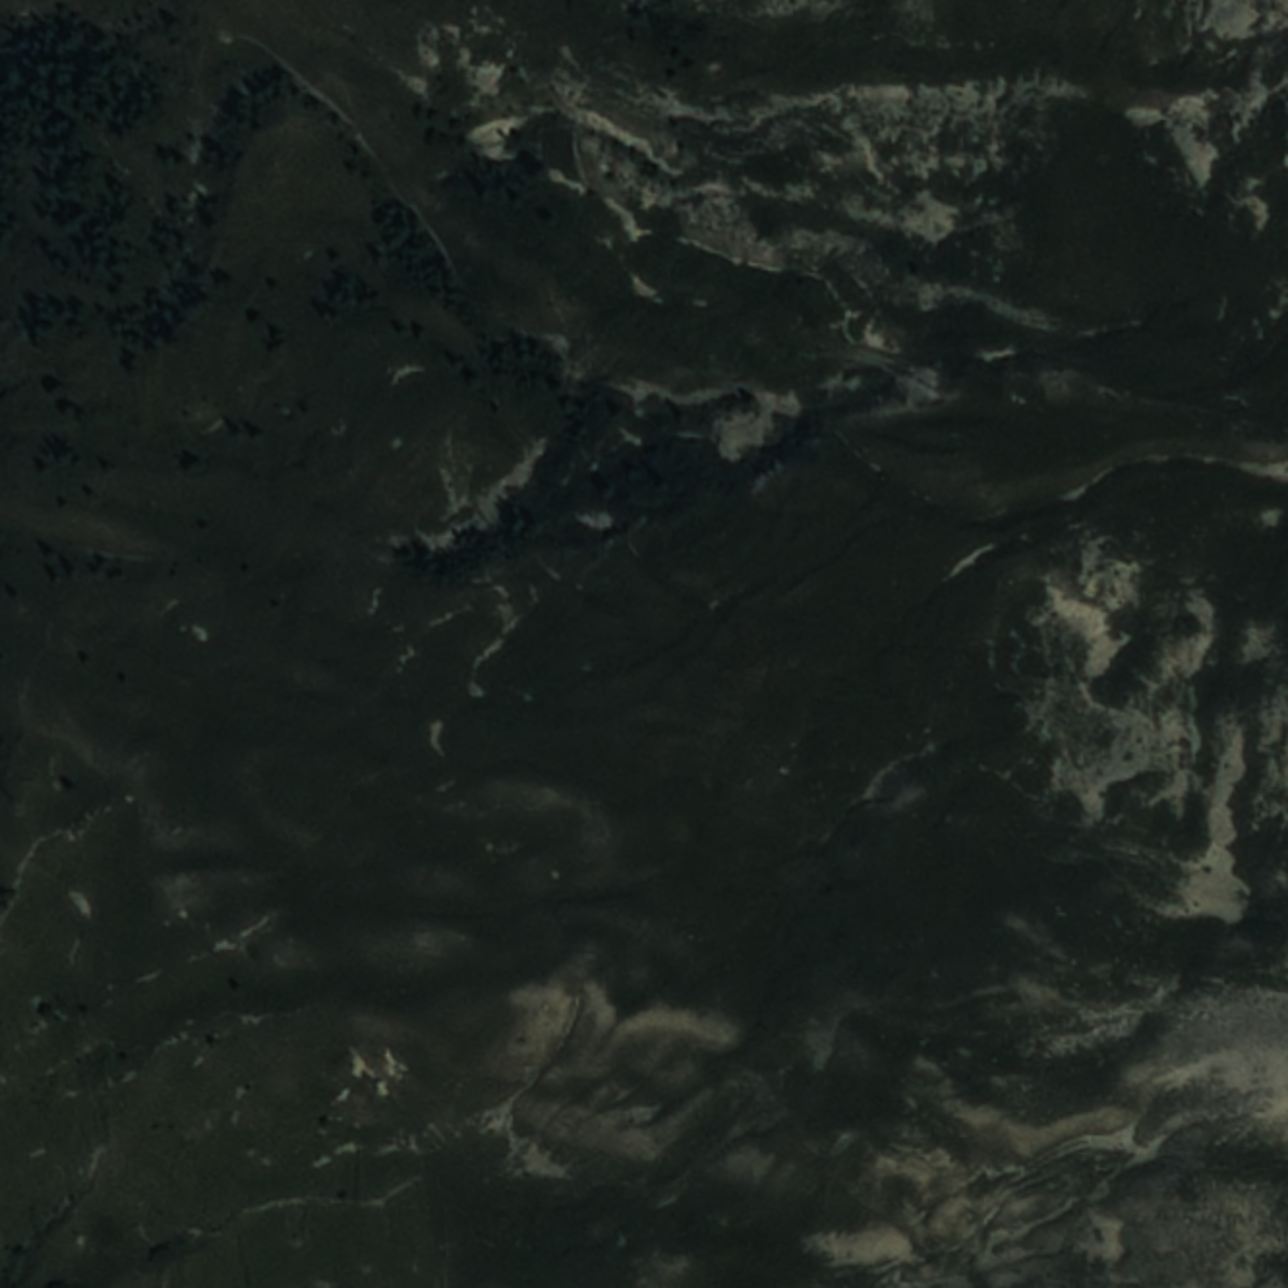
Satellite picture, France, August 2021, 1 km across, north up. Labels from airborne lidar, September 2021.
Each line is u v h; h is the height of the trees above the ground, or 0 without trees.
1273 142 0
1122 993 0
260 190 0
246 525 0
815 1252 0
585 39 0
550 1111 0
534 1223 0
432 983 0
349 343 0
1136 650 0
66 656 0
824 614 0
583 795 0
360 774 0
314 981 0
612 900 0
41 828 0
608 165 0
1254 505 0
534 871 0
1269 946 0
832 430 0
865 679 0
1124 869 0
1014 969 0
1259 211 0
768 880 0
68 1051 0
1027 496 0
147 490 0
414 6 0
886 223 0
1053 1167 0
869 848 0
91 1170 0
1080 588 0
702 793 0
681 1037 0
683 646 0
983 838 0
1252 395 0
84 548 0
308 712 0
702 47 0
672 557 0
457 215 0
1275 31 0
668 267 0
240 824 0
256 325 10
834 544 0
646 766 0
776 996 0
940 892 0
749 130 0
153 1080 0
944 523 0
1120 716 0
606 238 0
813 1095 0
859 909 0
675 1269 0
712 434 0
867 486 0
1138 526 0
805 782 0
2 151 17
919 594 0
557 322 0
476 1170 0
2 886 0
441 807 0
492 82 0
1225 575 0
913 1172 0
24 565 0
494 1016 0
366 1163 0
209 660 0
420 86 0
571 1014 0
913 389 0
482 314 0
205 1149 0
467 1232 0
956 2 0
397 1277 0
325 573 0
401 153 0
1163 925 0
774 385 0
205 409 0
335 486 0
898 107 0
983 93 0
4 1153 0
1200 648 0
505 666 0
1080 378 0
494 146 0
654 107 0
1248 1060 0
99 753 0
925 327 0
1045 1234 0
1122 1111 0
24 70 7
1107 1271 0
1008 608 0
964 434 0
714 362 0
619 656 0
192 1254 0
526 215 0
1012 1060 0
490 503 0
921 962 0
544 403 0
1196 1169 0
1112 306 0
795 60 0
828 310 0
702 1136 0
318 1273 0
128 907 0
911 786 0
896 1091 0
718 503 0
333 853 0
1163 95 0
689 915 0
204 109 0
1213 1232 0
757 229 0
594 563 0
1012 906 0
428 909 0
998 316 0
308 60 0
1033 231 0
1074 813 0
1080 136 0
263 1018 0
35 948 0
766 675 0
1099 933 0
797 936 0
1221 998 0
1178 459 0
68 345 0
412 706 0
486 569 0
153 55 0
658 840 0
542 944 0
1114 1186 0
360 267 0
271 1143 0
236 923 0
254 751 0
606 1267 0
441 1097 0
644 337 0
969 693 0
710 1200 0
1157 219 0
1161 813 0
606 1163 0
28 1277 0
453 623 0
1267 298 0
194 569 0
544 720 0
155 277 0
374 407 0
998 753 0
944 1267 0
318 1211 0
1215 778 0
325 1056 0
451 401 0
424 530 0
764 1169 0
